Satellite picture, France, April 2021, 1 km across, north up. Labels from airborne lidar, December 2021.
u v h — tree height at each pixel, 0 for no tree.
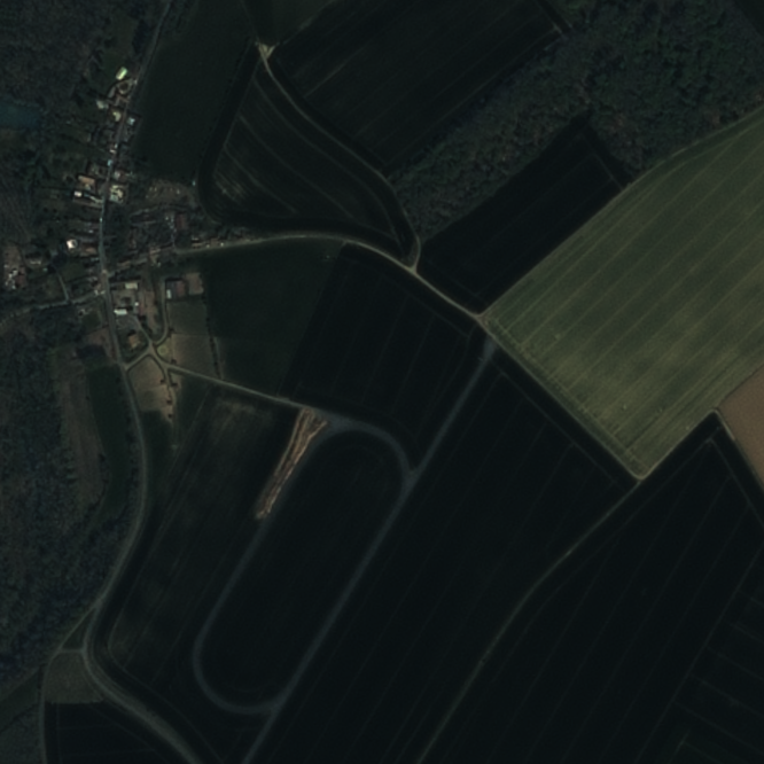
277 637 0
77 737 0
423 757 0
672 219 0
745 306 0
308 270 0
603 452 0
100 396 0
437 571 0
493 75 0
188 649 0
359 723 0
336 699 0
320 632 0
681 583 0
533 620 0
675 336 0
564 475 0
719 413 0
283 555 0
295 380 0
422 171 8
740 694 0
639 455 0
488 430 0
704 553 0
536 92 22
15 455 7
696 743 0
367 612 0
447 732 0
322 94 0
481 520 0
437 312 0
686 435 0
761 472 0
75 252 0
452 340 0
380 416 0
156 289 0
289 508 0
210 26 0
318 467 0
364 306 0
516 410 0
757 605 0
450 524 0
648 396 0
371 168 0
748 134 0
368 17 0
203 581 0
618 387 0
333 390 0
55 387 18
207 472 0
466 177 12
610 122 15
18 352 18
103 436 0
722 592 0
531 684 0
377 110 0
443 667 0
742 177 0
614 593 0
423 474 0
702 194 0
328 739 0
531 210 0
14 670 20
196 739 0
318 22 0
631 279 0
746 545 0
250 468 0
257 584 0
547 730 0
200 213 10
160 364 0
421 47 0
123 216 12
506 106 24
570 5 18
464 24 0
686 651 0
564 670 0
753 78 9
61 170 18
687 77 21
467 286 0
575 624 0
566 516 0
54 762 0
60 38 27
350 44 0
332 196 0
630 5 19
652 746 0
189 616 0
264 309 0
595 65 20
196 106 0
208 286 0
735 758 0
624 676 0
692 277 0
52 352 16
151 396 0
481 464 0
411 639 0
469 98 0
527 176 0
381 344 0
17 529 5
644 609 0
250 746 0
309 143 0
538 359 0
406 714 0
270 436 0
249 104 0
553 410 0
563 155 0
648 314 0
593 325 0
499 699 0
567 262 0
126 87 9
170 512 0
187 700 0
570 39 18
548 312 0
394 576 0
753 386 0
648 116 13
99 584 19
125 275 6
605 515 0
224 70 0
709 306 0
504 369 0
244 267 0
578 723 0
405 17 0
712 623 0
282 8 0
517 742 0
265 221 0
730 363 0
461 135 19
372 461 0
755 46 25
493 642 0
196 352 0
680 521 0
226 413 0
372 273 0
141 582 0
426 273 0
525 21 0
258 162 0
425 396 0
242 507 0
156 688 0
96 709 0
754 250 0
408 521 0
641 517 0
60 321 11
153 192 0
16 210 31
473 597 0
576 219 0
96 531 0
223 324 0
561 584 0
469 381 0
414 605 0
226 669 0
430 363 0
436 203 11
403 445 0
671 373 0
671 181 0
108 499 0
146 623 0
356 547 0
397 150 0
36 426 6
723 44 20
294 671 0
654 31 21
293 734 0
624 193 0
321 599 0
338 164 0
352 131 0
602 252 0
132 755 0
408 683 0
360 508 0
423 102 0
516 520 0
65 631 18
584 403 0
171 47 0
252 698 0
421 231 12
